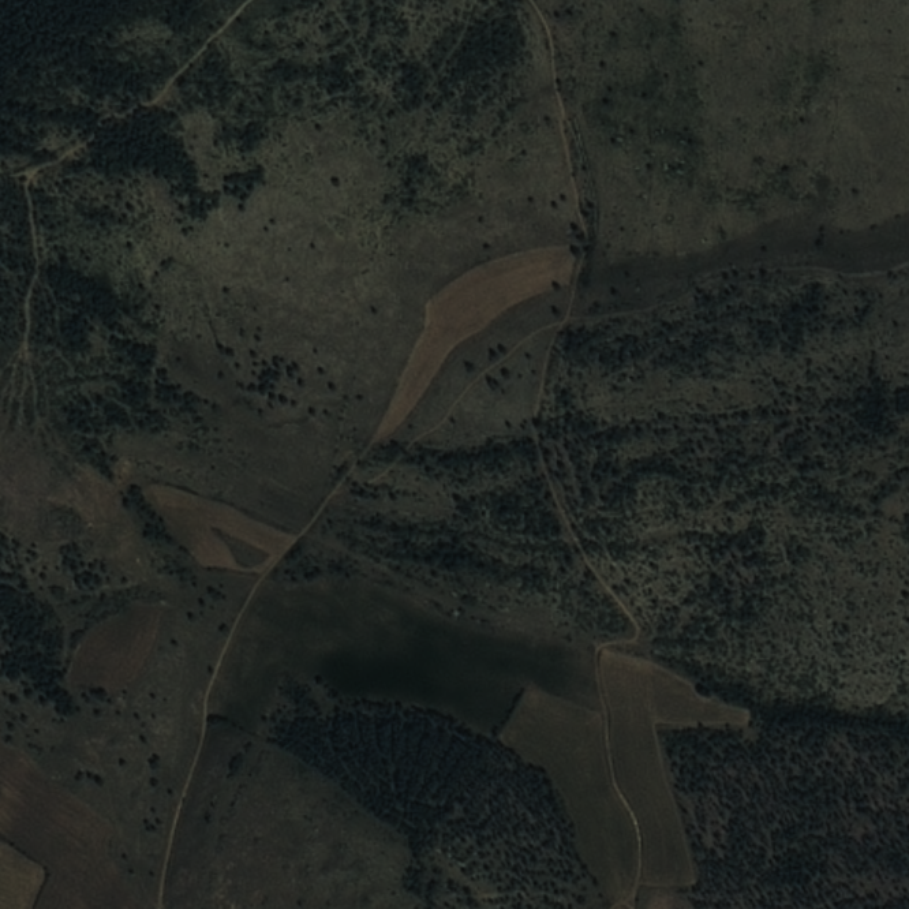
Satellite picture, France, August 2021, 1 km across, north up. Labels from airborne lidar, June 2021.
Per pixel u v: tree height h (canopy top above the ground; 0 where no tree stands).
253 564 0
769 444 7
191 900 0
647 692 0
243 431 0
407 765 15
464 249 0
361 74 7
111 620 0
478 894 0
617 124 0
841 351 0
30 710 0
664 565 0
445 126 0
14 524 0
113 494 0
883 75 0
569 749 0
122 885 0
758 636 0
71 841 0
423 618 0
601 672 0
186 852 0
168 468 0
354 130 0
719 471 9
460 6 0
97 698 9
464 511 6
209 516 0
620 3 0
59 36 8
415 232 0
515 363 0
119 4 8
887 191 0
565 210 0
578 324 0
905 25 0
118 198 8
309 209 0
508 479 0
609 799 0
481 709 0
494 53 10
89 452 11
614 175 0
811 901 11
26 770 0
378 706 7
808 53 0
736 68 0
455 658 0
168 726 0
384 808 8
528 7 0
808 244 0
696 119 0
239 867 0
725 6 0
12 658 6
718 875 13
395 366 0
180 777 0
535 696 0
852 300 0
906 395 8
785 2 0
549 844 11
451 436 0
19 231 6
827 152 0
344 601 0
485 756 14
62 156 0
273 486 0
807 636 0
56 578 0
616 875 0
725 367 0
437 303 0
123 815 0
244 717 0
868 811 8
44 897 0
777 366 0
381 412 0
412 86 7
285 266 0
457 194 0
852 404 6
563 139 0
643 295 0
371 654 0
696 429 6
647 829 0
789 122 0
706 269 0
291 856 0
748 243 0
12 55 9
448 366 0
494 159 0
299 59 0
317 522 0
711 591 8
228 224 0
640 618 0
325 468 0
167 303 0
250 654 0
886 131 0
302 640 0
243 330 5
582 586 6
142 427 9
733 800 9
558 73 0
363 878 0
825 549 0
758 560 8
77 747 0
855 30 0
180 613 0
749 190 0
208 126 0
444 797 10
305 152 0
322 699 0
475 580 0
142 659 0
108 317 9
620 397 0
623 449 0
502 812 13
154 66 0
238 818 0
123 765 7
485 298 0
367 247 0
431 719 10
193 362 0
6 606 8
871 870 11
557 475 7
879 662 0
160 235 0
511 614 0
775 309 6
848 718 9
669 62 0
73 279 11
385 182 0
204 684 0
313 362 0
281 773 0
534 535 5
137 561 0
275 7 0
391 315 0
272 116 0
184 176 6
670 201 0
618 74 0
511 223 0
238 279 0
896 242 0
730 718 0
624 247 0
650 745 0
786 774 7
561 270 0
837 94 0
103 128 7
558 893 8
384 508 0
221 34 0
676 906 0
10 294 8
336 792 0
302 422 0
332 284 0
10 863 0
